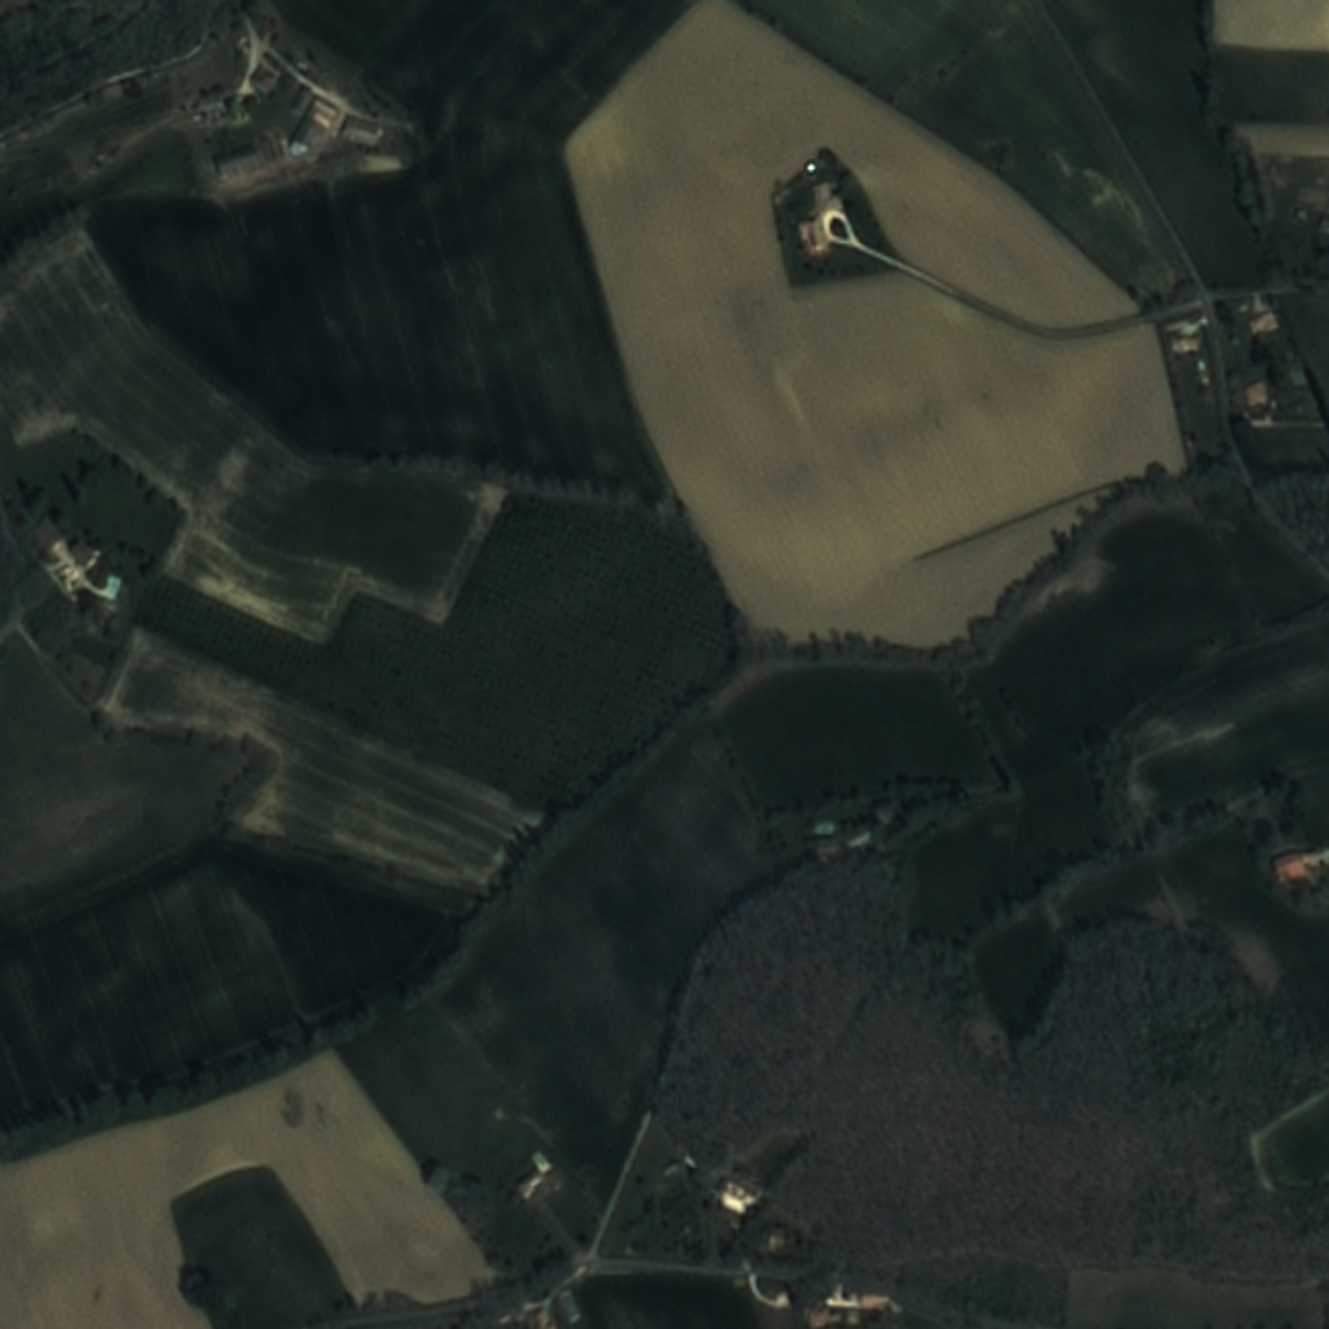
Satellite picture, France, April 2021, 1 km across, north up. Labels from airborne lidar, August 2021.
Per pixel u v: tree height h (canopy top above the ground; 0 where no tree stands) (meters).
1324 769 0
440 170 0
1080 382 0
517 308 0
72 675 8
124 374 0
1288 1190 9
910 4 0
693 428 0
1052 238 0
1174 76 0
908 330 0
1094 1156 10
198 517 0
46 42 10
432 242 0
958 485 0
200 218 0
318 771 0
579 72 0
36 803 0
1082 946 18
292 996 0
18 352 0
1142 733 0
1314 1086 7
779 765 0
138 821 0
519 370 0
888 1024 16
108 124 0
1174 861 0
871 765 0
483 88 0
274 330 0
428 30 0
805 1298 17
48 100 9
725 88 0
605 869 0
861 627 0
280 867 0
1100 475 0
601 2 0
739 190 0
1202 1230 11
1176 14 0
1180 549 0
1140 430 0
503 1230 0
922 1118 13
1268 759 0
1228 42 0
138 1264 0
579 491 26
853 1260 15
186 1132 0
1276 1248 15
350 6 0
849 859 15
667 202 0
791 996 12
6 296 0
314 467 0
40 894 0
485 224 0
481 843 0
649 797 0
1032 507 0
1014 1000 0
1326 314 0
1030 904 9
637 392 0
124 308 0
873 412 0
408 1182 0
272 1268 0
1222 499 0
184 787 0
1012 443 0
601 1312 0
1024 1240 15
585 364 0
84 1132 16
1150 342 0
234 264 0
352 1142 0
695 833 0
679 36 0
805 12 0
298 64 12
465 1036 0
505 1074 0
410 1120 0
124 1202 0
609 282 0
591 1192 0
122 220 0
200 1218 0
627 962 0
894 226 0
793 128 0
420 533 0
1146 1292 0
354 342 0
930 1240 16
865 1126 14
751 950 14
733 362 0
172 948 0
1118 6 0
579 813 14
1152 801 0
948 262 0
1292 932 0
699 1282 0
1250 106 0
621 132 0
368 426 0
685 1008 14
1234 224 0
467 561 0
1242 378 9
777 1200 16
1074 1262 18
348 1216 0
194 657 0
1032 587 12
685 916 0
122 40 15
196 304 0
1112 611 0
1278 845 22
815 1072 16
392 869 7
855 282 0
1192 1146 12
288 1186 0
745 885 0
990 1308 11
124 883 0
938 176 0
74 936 0
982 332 0
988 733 7
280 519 0
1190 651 0
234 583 0
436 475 18
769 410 0
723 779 0
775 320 0
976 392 0
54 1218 0
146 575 12
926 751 0
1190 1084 6
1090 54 0
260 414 0
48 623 9
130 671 0
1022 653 0
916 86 0
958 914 0
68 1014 0
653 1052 0
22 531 19
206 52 0
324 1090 0
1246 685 0
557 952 0
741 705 0
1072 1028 18
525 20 0
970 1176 9
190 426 0
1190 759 0
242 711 0
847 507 0
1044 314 0
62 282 0
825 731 0
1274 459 0
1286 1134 0
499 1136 0
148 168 0
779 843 7
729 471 0
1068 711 0
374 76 0
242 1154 0
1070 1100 13
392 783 0
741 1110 15
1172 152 0
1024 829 0
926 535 0
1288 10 0
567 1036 0
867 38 0
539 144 0
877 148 0
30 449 0
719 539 0
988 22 0
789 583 0
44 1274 0
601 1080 0
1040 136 0
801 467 0
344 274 0
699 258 0
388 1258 0
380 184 0
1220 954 7
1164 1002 18
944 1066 15
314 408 0
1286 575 0
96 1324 0
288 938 0
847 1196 18
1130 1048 19
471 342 0
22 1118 0
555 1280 21
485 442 0
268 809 0
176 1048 0
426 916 0
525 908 0
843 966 17
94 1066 0
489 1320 16
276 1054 13
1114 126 0
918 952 20
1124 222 0
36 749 0
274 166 0
